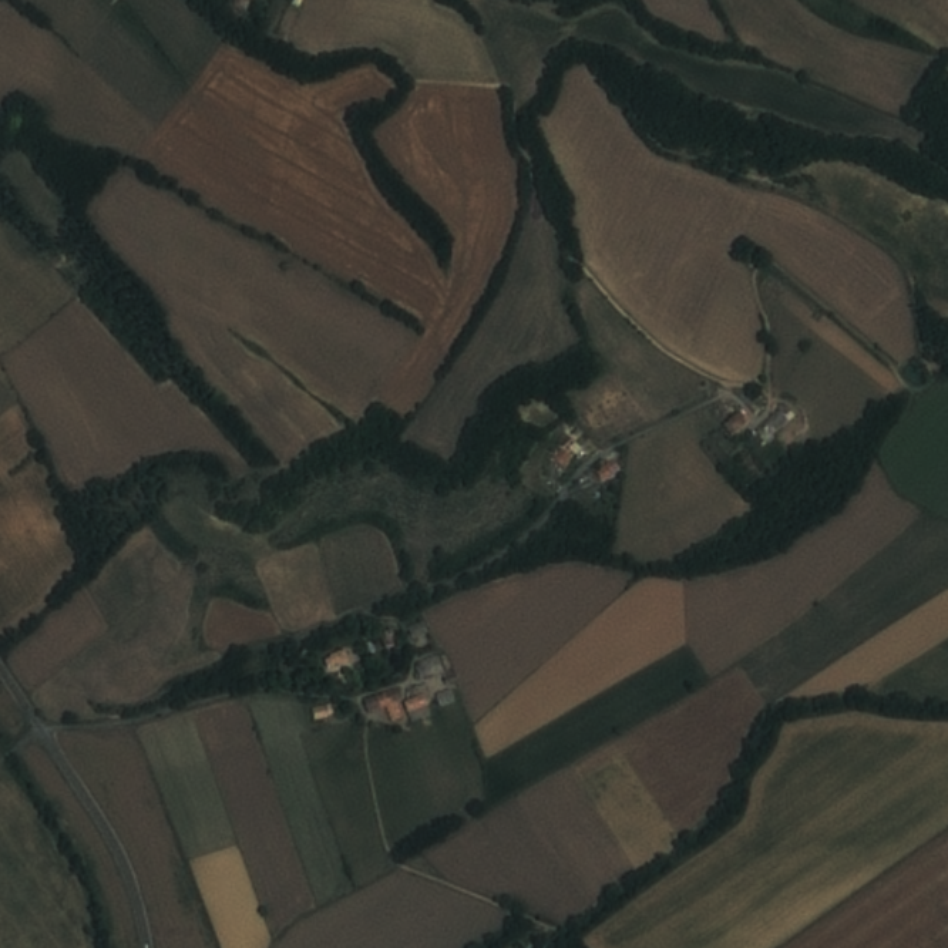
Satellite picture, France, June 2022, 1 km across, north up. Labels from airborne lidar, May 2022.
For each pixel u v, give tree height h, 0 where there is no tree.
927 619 0
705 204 0
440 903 0
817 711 8
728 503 0
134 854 0
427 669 0
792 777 0
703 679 0
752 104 0
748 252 23
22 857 0
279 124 0
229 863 0
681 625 0
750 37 0
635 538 0
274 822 0
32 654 0
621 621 0
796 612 0
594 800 0
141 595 0
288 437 0
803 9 0
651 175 0
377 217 0
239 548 0
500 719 0
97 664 0
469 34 0
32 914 0
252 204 0
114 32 0
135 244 0
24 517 0
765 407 0
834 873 0
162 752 0
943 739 0
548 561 17
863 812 0
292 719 0
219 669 9
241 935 0
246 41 18
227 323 0
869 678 0
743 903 0
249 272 0
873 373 0
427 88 0
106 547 16
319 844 0
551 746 0
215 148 0
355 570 0
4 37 0
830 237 0
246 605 6
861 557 0
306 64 17
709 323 0
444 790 0
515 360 0
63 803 0
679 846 15
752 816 0
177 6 0
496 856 0
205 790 0
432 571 6
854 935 0
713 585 0
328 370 0
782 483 14
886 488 0
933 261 0
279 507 10
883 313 0
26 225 19
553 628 0
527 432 12
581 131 0
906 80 0
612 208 0
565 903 0
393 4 0
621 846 0
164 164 0
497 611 0
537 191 11
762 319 7
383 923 0
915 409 0
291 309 0
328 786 0
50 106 0
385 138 0
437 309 0
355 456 16
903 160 18
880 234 0
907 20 0
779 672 0
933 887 0
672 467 0
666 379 0
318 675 18
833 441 12
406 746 0
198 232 0
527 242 0
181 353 15
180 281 0
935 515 0
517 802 0
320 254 0
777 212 0
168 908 0
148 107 0
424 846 30
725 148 10
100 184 15
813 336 0
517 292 0
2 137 15
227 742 0
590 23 0
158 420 0
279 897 0
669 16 0
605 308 0
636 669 0
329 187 0
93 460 0
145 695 0
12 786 0
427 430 0
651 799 0
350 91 0
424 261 0
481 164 0
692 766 0
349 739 0
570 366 17
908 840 0
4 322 0
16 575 0
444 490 15
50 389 0
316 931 0
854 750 0
